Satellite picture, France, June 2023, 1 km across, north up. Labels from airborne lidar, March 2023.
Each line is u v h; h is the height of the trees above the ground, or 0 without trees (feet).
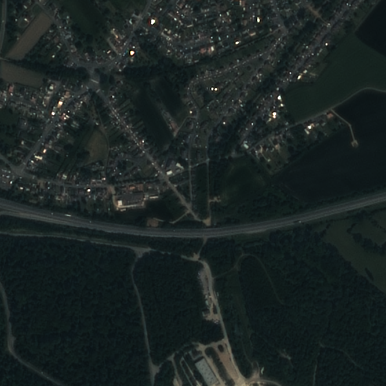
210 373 0
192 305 65
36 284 75
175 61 0
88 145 0
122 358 103
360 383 43
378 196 0
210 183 21
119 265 81
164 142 0
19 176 0
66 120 28
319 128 0
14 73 0
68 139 0
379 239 0
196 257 0
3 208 0
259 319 46
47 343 96
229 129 46
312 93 0
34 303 89
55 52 0
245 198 0
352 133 0
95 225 0
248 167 0
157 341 31
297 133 22
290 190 0
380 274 0
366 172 0
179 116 0
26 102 0
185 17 0
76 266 73
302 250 84
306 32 28
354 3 0
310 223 0
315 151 0
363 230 0
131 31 0
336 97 0
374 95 0
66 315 81
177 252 52
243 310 0
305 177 0
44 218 0
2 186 0
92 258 74
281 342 53
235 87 0
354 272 26
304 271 73
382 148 0
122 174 0
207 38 0
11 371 90
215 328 53
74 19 0
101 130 0
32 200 0
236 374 0
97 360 75
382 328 73
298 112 0
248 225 0
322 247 85
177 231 0
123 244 0
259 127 0
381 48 0
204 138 0
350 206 0
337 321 54
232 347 0
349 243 0
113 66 0
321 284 88
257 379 0
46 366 65
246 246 19
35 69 38
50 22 0
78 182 0
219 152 47
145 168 0
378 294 60
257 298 38
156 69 47
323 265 83
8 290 75
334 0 26
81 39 38
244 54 0
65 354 105
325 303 80
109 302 108
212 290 0
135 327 76
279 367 36
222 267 35
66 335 69
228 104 0
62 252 89
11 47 0
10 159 31
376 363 57
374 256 0
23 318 78
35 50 22
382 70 0
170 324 67
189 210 0
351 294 74
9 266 96
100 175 22
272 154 0
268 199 24
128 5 0
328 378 54
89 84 0
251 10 0
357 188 0
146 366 63
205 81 0
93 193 21
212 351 0
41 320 85
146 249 0
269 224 0
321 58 0
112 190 0
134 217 0
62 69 47
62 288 81
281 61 27
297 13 0
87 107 23
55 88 0
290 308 61
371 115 0
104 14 32
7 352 0
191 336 59
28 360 41
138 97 0
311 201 0
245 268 27
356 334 25
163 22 0
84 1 0
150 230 0
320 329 66
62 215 0
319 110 0
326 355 51
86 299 104
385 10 0
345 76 0
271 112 0
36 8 0
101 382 90
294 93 0
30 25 0
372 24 0
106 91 0
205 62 17
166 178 0
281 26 0
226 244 48
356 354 35
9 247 33
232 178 0
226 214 0
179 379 0
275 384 0
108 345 86
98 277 88
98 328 88
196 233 0
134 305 73
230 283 0
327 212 0
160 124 0
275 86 48
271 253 63
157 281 68
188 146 44
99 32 0
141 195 0
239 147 39
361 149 0
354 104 0
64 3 0
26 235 0
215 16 22
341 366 53
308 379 32
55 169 0
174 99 0
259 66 0
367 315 58
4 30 0
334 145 0
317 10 0
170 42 0
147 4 0
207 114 0
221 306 0
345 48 0
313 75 0
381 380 51
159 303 87
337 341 60
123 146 0
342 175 0
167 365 49
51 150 0
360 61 0
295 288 49
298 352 52
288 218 0
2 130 29
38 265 80
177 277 73
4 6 0
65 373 83
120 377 90
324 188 0
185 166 42
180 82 24
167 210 0
